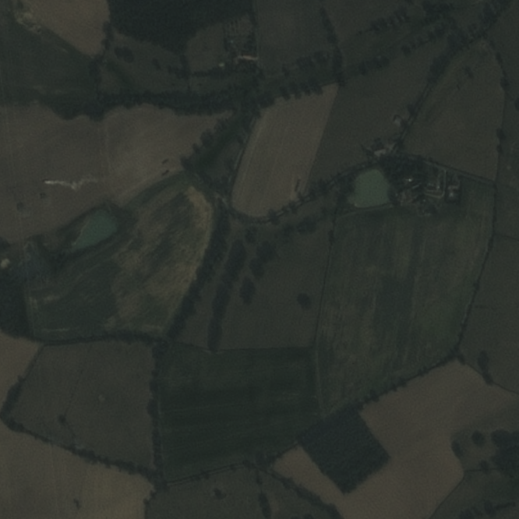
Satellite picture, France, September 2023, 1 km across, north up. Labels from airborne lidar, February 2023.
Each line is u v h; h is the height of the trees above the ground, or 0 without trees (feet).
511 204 0
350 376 0
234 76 0
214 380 0
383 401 0
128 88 0
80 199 0
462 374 0
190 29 50
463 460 0
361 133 0
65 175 0
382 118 0
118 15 43
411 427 0
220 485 0
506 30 0
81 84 0
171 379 0
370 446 45
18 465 0
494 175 0
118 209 0
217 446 0
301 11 0
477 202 0
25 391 0
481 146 0
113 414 0
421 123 0
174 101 56
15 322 28
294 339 0
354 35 0
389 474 0
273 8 0
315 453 61
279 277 0
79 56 0
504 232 0
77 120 0
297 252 0
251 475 0
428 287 0
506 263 0
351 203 0
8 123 0
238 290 0
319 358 0
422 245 0
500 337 0
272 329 0
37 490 0
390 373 0
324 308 0
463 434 0
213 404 0
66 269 0
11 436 0
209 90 0
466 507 0
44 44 0
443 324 0
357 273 0
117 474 0
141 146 0
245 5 38
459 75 0
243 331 0
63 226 0
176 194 0
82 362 0
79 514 0
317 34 0
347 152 0
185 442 0
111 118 0
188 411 0
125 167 0
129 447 0
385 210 0
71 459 0
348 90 0
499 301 0
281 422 0
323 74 0
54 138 0
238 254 73
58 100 0
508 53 0
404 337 0
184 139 0
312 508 0
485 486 0
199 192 0
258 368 0
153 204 0
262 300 0
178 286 0
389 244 0
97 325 0
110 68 0
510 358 0
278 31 0
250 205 0
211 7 61
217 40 0
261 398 0
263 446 0
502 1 75
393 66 0
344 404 0
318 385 0
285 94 46
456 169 0
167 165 0
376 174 0
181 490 0
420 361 0
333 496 0
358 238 0
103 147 0
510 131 0
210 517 0
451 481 0
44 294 0
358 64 0
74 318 0
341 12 0
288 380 0
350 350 0
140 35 54
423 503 0
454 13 0
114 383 0
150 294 0
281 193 0
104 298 0
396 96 0
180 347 0
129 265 0
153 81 0
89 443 0
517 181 0
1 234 0
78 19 0
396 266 0
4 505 0
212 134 38
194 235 0
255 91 41
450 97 0
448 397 0
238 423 0
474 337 0
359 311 0
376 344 0
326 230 0
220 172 0
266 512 52
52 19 0
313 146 0
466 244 0
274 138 0
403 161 21
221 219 37
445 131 0
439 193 0
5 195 0
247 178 0
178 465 0
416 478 0
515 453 86
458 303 0
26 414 0
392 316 0
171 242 0
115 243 0
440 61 26
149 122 0
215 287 0
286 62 0
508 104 0
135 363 0
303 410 0
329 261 0
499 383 0
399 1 0
